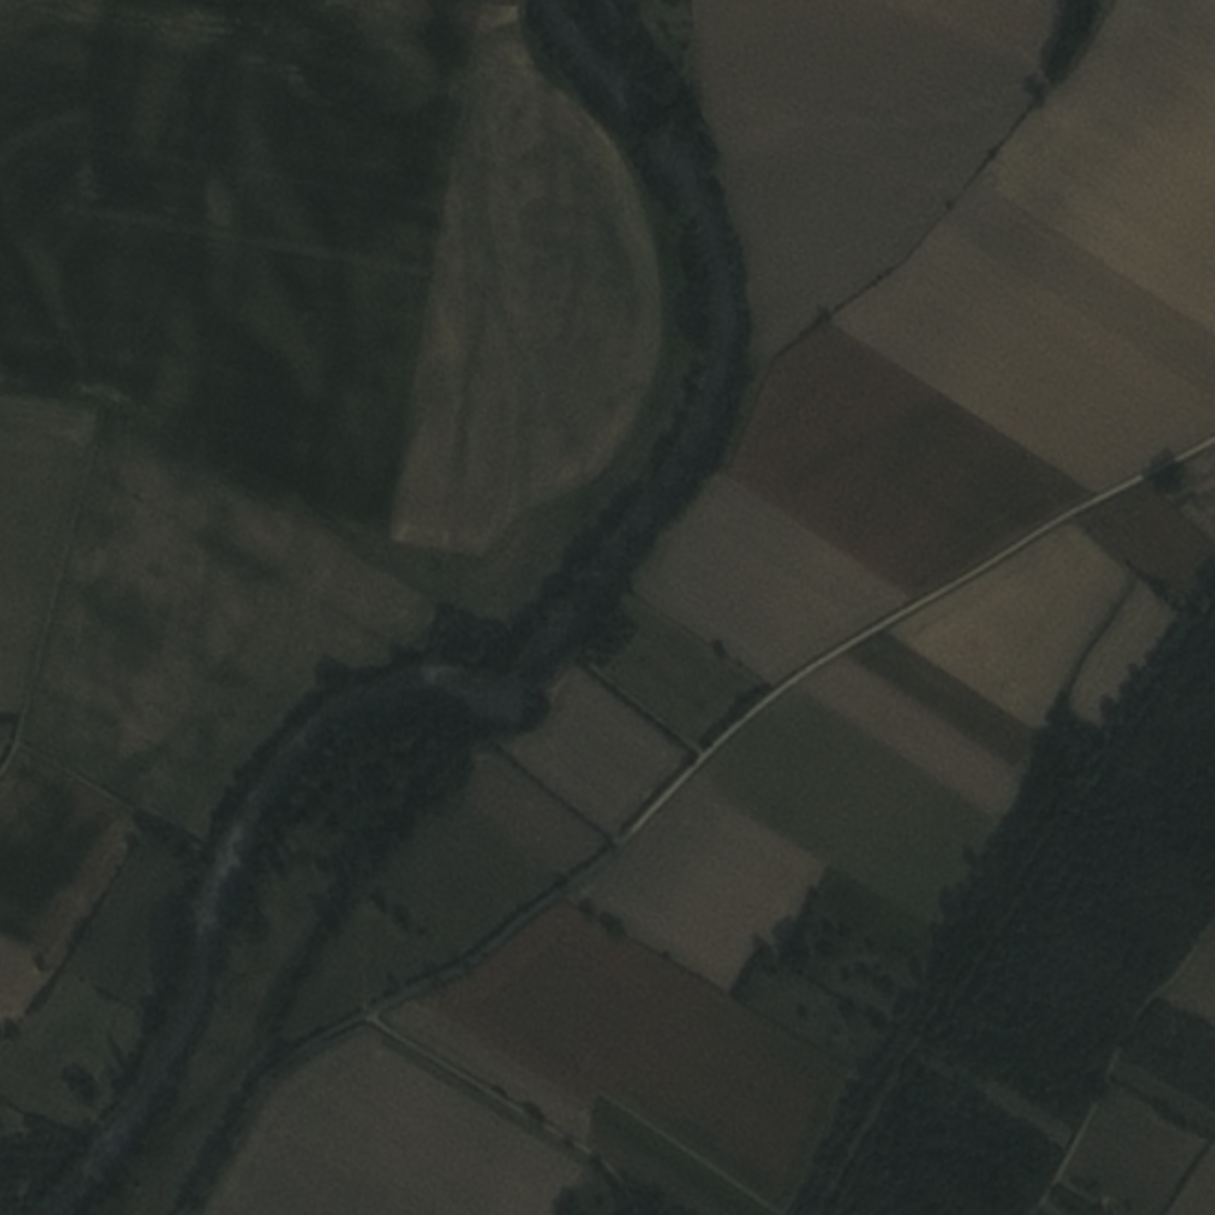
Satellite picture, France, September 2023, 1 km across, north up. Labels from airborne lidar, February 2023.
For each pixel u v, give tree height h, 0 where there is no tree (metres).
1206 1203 0
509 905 0
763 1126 0
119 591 0
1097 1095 9
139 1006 0
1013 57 0
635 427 0
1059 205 0
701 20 0
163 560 0
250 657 0
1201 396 0
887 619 0
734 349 7
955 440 0
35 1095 0
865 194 0
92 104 0
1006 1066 11
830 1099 0
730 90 0
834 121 0
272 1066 11
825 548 0
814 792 0
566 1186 0
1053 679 0
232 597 0
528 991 0
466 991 0
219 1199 0
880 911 0
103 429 0
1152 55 0
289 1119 0
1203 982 0
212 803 0
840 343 0
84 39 0
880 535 0
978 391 0
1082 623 0
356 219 0
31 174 0
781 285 0
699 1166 0
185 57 0
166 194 0
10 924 0
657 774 0
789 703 0
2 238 0
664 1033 0
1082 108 0
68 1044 0
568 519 0
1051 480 0
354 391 0
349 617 0
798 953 20
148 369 0
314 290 0
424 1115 0
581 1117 0
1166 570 0
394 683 0
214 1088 0
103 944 0
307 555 0
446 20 0
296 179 0
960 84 0
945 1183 18
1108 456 0
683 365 0
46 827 0
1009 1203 6
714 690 0
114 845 0
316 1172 0
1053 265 0
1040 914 12
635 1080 0
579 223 0
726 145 0
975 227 0
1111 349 0
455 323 0
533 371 0
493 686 0
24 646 0
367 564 0
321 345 0
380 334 0
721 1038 0
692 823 0
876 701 0
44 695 0
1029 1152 11
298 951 0
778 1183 0
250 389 0
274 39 0
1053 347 0
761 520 0
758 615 0
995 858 7
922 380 0
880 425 0
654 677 0
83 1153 11
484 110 0
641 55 22
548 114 0
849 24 0
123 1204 0
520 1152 0
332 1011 0
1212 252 0
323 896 0
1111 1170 0
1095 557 0
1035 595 0
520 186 0
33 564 0
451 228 0
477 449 0
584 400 0
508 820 0
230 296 0
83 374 0
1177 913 13
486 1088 0
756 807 0
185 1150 0
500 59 0
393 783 20
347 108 0
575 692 0
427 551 0
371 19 0
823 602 0
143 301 0
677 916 0
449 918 0
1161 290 0
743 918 0
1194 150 0
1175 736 9
